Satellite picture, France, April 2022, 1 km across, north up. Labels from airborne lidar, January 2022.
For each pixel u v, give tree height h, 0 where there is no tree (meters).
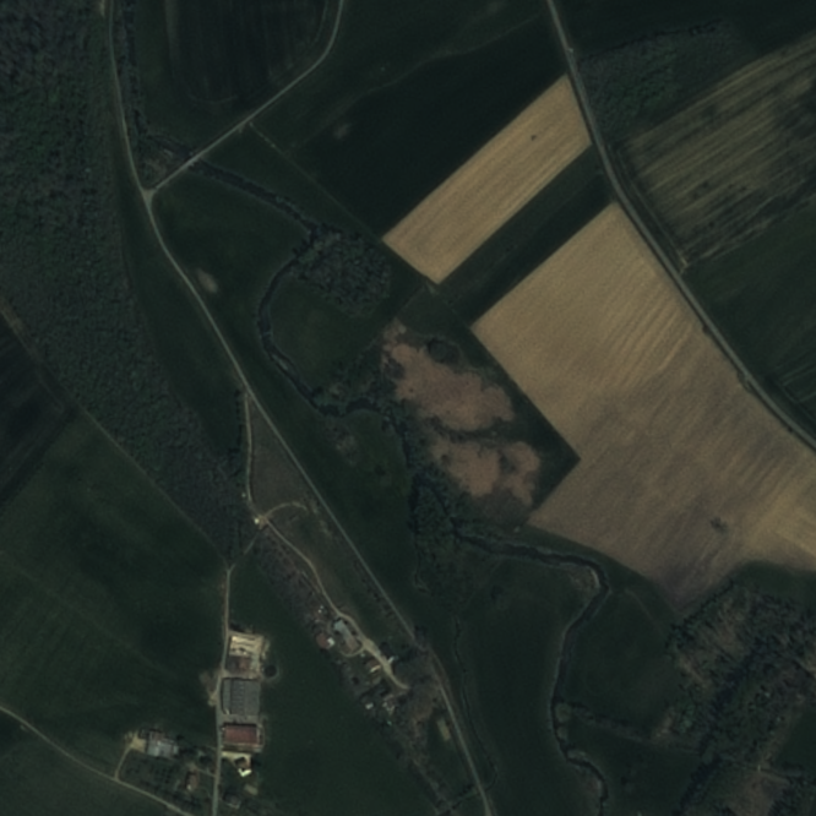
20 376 0
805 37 0
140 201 0
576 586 0
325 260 20
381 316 0
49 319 16
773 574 0
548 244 0
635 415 0
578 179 0
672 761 0
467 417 0
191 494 6
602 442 0
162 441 17
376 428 0
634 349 0
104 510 0
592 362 0
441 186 0
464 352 0
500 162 0
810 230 0
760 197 0
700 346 0
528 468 0
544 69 0
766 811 0
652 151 0
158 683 0
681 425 0
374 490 0
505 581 0
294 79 0
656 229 0
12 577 0
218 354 0
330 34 0
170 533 0
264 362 0
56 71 26
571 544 0
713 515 0
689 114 0
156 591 0
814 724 0
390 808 0
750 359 0
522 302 0
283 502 0
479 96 0
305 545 0
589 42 0
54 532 0
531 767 0
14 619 0
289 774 0
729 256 0
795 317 0
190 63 0
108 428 13
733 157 0
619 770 0
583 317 0
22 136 23
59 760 0
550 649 0
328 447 0
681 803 0
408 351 0
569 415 0
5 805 0
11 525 0
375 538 0
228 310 0
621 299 0
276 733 0
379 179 0
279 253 0
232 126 0
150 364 9
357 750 0
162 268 0
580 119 0
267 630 0
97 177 20
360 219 0
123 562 0
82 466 0
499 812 0
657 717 0
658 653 0
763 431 0
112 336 16
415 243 0
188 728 0
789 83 0
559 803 0
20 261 16
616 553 0
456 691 0
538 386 0
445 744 0
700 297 0
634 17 0
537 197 0
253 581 0
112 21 0
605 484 0
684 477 0
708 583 0
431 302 0
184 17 0
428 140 0
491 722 0
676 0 0
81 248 19
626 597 0
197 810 12
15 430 0
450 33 0
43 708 0
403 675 24
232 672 0
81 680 0
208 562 0
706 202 0
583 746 0
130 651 0
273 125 0
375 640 0
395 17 0
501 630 0
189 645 0
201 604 0
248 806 6
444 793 11
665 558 0
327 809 0
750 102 0
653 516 0
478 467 0
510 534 0
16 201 24
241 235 0
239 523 14
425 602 0
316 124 0
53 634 0
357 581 0
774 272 0
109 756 0
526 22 0
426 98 0
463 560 0
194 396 0
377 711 9
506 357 0
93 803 0
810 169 0
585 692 0
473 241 0
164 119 0
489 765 0
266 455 0
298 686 0
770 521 0
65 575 0
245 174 0
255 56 0
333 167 0
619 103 9
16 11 30
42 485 0
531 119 0
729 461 0
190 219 0
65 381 9
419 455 14
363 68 0
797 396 0
